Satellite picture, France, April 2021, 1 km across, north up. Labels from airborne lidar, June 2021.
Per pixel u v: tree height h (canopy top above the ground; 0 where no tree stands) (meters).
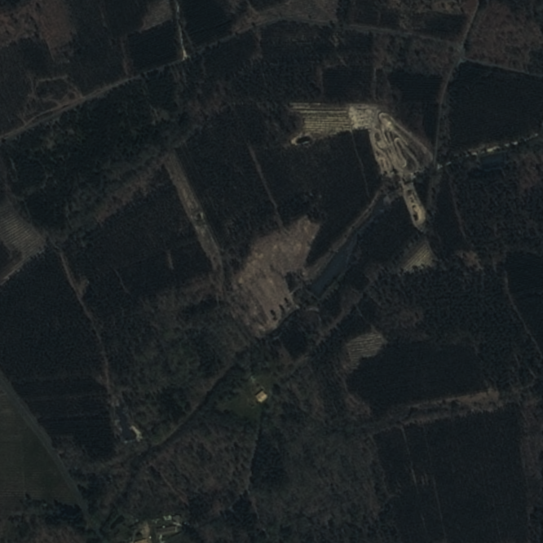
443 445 11
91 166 9
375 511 11
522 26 12
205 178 15
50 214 10
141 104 8
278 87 17
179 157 10
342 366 20
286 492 14
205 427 14
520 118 10
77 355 18
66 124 9
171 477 12
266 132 15
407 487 9
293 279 10
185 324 11
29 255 0
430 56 10
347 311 7
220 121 18
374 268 11
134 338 12
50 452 0
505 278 19
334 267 0
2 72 10
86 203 10
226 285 9
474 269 0
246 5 9
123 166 13
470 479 8
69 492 0
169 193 17
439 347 10
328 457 13
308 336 19
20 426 0
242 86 13
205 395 0
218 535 17
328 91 9
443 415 13
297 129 18
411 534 9
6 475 0
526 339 20
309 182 7
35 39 7
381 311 8
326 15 0
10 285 14
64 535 12
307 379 12
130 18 10
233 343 16
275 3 8
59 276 17
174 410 10
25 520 13
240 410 0
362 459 16
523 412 9
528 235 22
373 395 9
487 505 9
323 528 20
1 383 0
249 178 15
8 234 0
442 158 17
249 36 9
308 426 12
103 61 12
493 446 10
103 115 12
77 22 9
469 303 21
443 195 10
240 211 13
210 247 0
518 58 13
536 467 8
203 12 11
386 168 0
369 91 7
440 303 17
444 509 8
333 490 12
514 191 20
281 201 8
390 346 7
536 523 8
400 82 10
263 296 0
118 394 7
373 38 13
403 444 10
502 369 22
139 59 9
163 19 0
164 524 0
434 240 8
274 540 17
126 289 11
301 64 18
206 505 18
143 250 13
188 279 9
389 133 0
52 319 16
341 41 9
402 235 9
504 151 12
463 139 10
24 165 15
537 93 11
